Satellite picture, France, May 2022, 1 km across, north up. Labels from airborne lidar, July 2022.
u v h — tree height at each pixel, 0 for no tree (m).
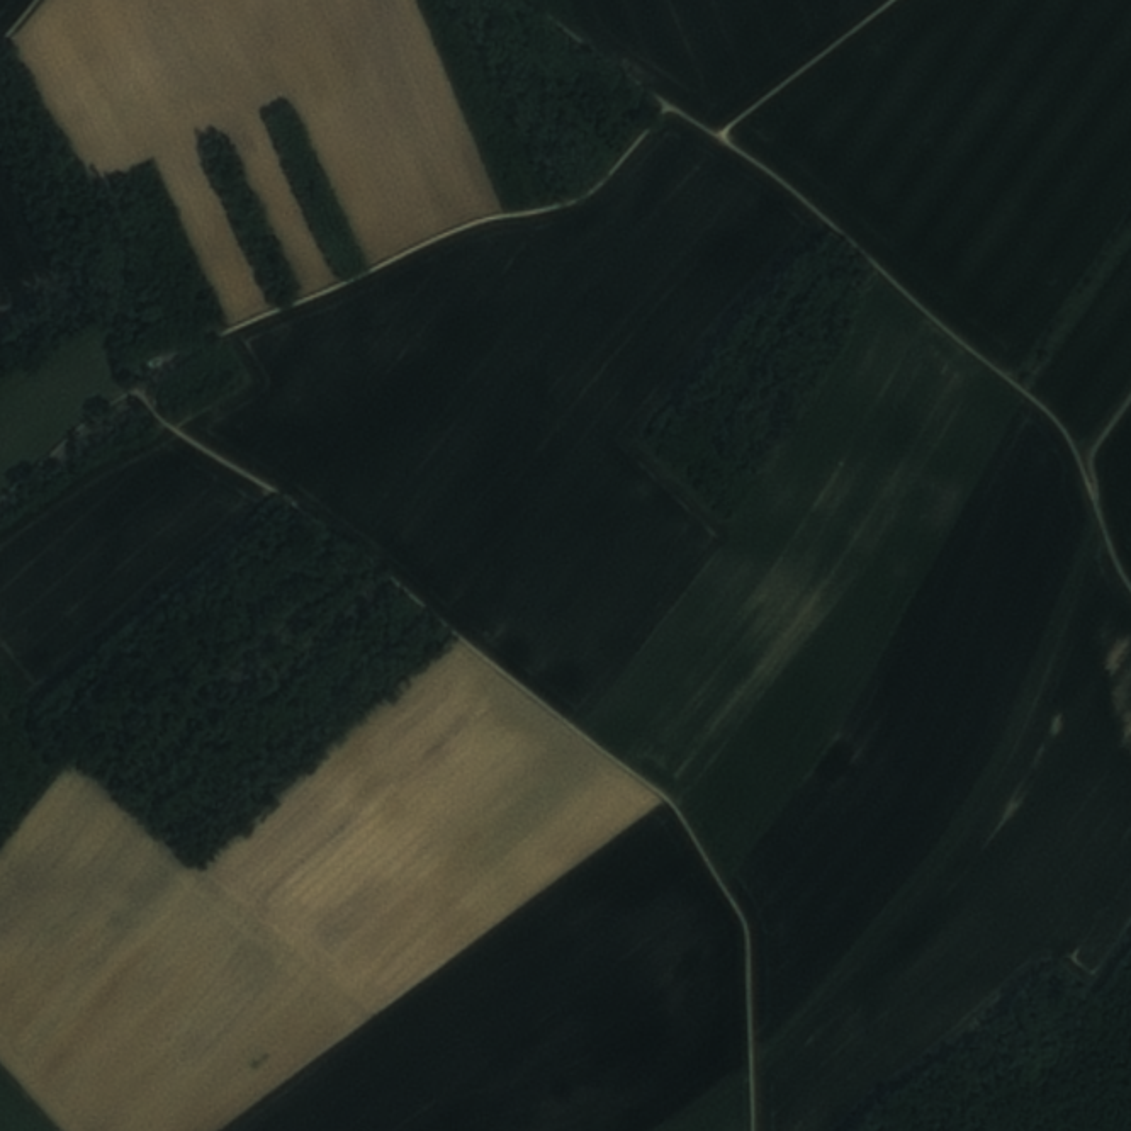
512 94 28
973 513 0
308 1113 0
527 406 0
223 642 20
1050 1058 22
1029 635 0
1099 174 0
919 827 0
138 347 23
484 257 0
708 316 0
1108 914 0
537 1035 0
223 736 18
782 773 0
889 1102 25
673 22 0
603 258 0
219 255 0
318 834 0
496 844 0
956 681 0
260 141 0
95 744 20
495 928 0
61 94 0
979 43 0
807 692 0
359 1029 0
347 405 0
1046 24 0
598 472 0
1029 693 0
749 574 0
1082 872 0
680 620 0
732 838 0
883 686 0
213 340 17
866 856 0
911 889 0
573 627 0
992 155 0
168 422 13
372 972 0
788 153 0
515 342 0
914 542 0
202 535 0
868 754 0
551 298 0
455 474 0
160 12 0
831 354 21
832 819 0
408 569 0
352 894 0
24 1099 0
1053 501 0
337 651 17
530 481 0
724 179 0
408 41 0
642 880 0
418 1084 0
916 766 0
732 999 0
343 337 0
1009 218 0
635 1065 0
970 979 0
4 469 0
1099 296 0
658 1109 0
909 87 0
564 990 0
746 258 0
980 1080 23
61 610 0
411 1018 0
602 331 0
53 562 0
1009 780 0
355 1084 0
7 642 0
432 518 0
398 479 0
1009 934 0
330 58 0
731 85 0
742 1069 0
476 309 0
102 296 27
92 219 15
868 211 0
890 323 0
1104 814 0
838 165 0
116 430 12
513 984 0
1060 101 0
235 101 0
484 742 0
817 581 0
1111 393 0
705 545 0
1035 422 0
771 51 0
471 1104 0
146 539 0
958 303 0
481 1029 0
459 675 0
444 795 0
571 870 0
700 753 0
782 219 0
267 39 0
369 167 0
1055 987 17
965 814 0
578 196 18
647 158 0
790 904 0
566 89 20
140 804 10
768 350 16
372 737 0
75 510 0
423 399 0
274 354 0
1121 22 0
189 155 0
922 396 0
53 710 27
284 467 0
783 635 0
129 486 0
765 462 21
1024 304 0
